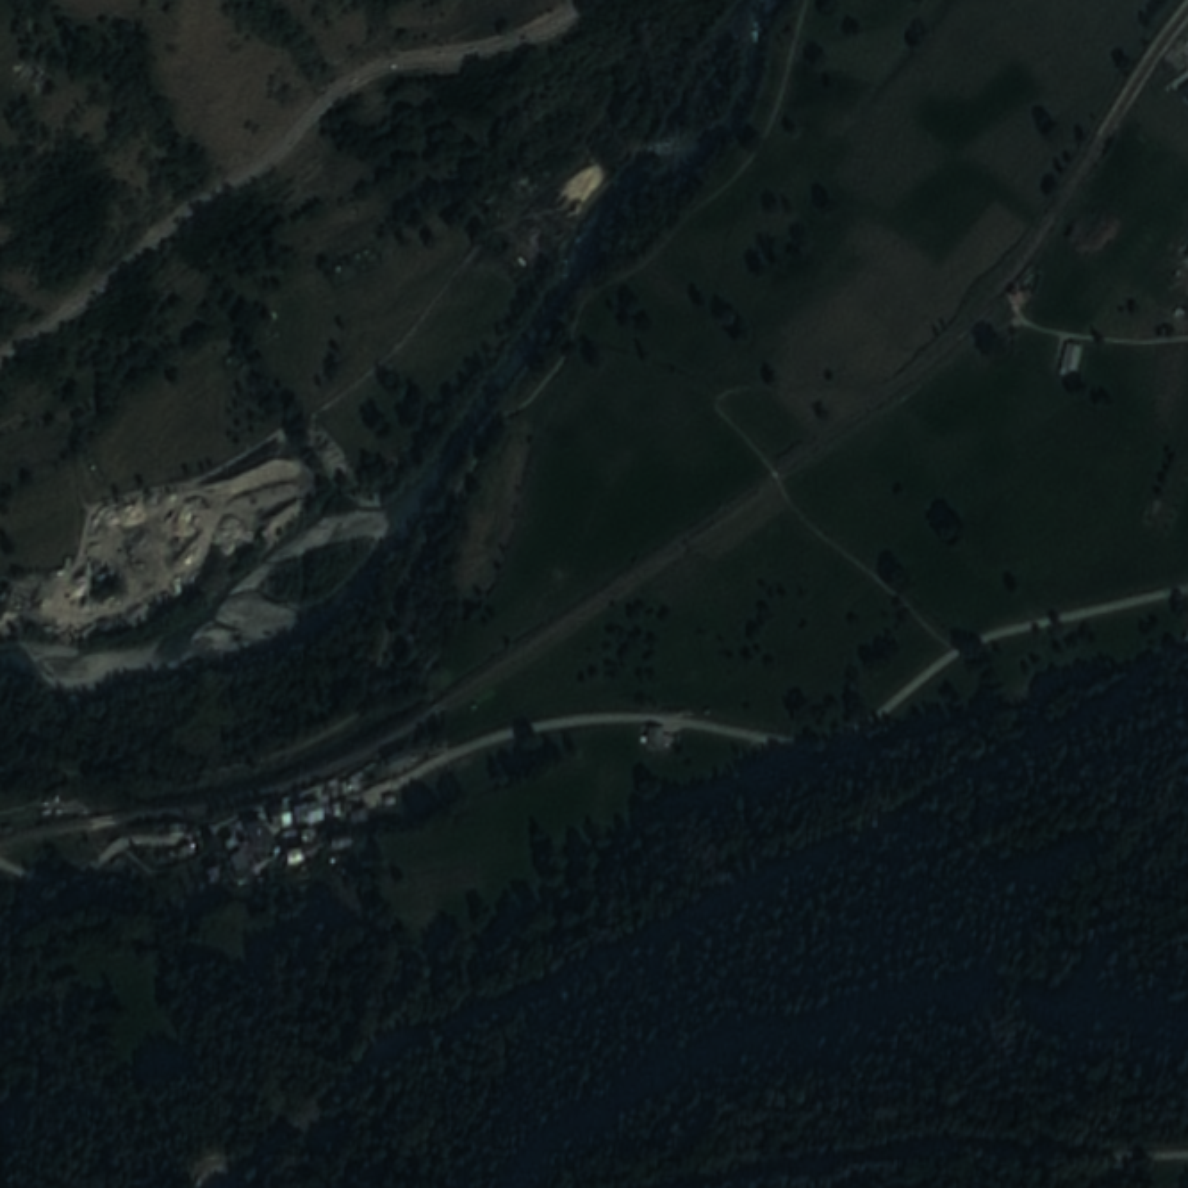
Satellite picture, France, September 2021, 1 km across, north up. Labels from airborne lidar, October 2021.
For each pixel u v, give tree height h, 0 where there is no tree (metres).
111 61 20
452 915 0
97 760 16
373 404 0
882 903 21
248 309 21
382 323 0
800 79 0
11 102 0
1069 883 31
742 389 0
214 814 11
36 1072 11
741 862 11
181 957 6
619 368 0
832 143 0
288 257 19
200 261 11
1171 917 25
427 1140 18
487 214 8
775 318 0
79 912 17
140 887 8
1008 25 0
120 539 0
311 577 13
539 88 9
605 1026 26
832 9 11
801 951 19
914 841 14
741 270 0
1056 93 0
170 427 0
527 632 0
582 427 0
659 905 21
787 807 25
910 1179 23
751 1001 27
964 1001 6
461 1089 24
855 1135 20
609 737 0
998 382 0
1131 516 0
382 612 26
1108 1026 6
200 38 0
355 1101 26
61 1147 26
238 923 0
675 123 9
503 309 0
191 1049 20
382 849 0
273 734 9
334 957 15
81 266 16
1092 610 0
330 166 0
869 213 0
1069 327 0
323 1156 19
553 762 16
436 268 0
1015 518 0
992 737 21
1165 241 0
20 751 17
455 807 16
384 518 0
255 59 0
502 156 15
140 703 15
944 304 0
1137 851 22
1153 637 9
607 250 16
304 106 0
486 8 0
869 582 0
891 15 0
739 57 12
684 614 0
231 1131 19
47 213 6
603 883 20
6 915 20
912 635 0
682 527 0
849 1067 27
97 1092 24
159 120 19
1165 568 0
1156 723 31
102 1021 20
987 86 0
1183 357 0
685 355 0
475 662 0
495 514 0
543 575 0
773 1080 29
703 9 24
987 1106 25
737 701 0
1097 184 0
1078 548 0
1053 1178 25
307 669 22
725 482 0
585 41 16
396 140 19
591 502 0
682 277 0
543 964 26
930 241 0
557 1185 21
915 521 0
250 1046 23
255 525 0
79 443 15
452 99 12
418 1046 14
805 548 0
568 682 0
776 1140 29
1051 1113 27
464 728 0
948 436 0
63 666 0
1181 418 0
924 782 18
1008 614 0
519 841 0
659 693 0
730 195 0
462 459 21
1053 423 0
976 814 12
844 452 0
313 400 0
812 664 0
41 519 0
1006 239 0
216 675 12
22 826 0
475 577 0
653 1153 24
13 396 6
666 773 0
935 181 0
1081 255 0
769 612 8
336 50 0
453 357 0
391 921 21
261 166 0
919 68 0
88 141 11
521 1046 25
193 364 0
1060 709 24
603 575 0
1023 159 0
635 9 19
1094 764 20
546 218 0
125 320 18
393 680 8
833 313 0
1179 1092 27
